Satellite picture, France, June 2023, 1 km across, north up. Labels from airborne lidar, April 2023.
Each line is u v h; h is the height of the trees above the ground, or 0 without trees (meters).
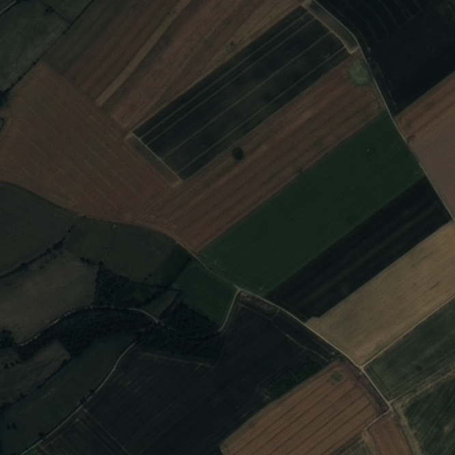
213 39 0
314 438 0
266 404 0
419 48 0
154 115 0
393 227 0
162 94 0
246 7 0
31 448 0
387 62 0
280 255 0
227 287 0
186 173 0
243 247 0
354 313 0
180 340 14
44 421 0
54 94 0
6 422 0
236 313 0
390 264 0
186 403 0
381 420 0
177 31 0
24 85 0
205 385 0
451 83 0
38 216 0
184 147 0
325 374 0
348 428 0
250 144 0
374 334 0
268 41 0
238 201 0
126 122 0
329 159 0
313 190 0
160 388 0
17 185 0
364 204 0
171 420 0
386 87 0
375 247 0
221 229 0
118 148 0
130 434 0
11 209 0
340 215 0
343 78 0
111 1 0
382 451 0
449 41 0
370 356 0
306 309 0
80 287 0
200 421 0
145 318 14
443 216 0
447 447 0
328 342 0
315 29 0
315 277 0
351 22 0
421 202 0
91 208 0
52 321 0
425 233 0
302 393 0
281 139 0
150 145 0
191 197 0
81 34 0
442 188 0
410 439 0
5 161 0
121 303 6
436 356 0
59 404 0
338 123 0
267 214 0
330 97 0
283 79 0
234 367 0
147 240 0
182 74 0
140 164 0
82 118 0
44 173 0
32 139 0
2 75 0
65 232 0
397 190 0
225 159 0
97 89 0
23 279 0
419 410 0
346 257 0
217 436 0
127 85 0
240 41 0
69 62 0
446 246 0
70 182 0
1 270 0
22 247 0
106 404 0
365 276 0
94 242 0
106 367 0
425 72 0
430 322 0
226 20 0
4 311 0
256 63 0
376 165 0
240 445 0
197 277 0
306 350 0
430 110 0
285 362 0
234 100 0
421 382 0
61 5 0
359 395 0
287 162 0
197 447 0
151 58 0
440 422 0
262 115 0
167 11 0
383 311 0
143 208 0
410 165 0
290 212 0
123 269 0
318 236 0
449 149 0
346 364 0
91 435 0
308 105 0
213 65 0
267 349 0
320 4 0
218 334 10
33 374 0
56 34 0
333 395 0
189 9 0
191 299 0
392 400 0
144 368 0
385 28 0
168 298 0
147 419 0
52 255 0
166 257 0
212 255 0
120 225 0
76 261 0
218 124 0
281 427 0
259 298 0
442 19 0
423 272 0
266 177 0
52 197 0
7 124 0
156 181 0
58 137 0
